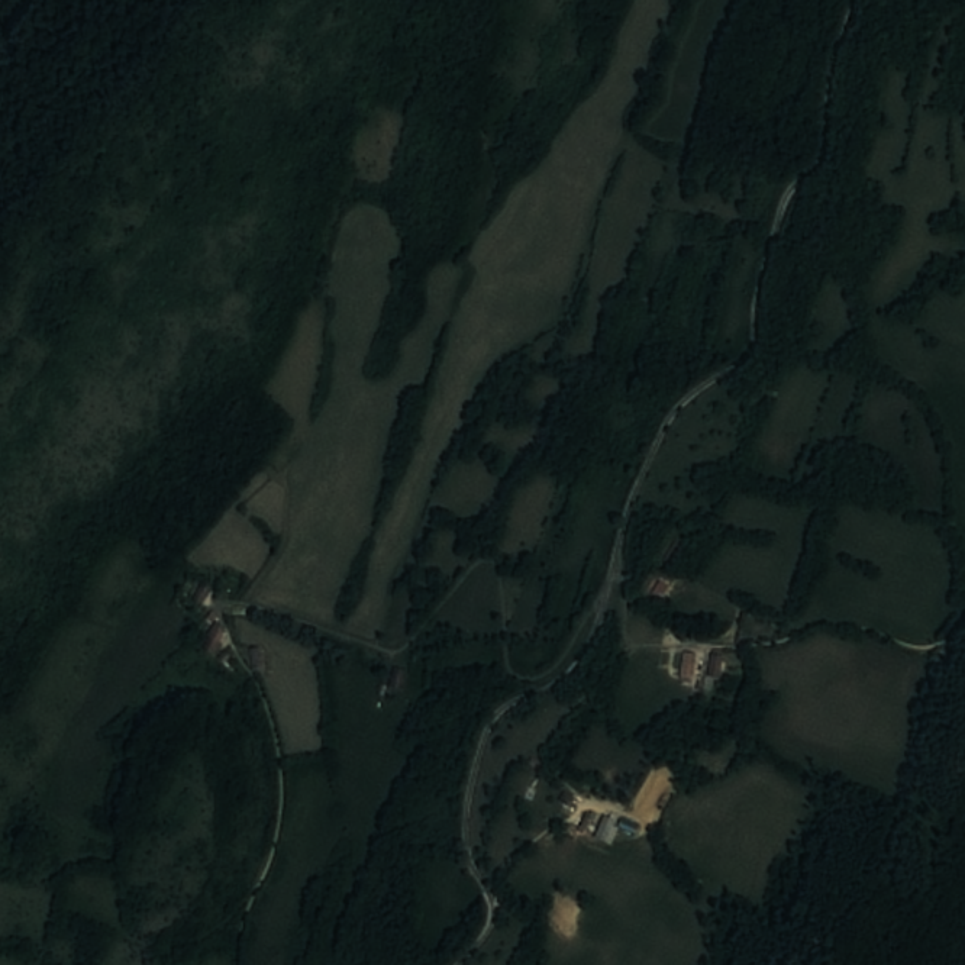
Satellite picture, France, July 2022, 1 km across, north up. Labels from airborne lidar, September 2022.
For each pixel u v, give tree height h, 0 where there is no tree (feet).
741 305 0
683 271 21
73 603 70
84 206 20
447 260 38
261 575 0
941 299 0
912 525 30
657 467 0
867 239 30
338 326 0
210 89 34
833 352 47
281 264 47
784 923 68
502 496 62
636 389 47
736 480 32
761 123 43
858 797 61
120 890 22
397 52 61
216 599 24
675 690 0
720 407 36
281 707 0
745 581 0
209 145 40
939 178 0
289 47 25
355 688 0
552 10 0
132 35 76
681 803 0
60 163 73
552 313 0
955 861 82
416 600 58
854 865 60
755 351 58
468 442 48
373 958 39
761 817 0
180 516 66
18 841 65
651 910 0
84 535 62
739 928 51
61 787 0
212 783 29
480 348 0
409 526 0
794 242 55
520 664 0
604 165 0
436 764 39
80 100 73
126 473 21
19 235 54
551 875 0
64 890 47
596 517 0
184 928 26
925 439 0
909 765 36
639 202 0
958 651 110
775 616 33
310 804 0
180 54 47
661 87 41
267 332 53
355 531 0
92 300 27
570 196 0
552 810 0
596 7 19
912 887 109
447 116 51
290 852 0
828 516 46
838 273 47
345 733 0
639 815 0
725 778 23
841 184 60
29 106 86
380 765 0
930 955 45
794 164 73
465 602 0
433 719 35
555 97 24
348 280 0
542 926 48
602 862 0
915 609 0
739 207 39
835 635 39
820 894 76
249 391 48
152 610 0
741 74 61
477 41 69
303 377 0
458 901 0
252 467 62
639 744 25
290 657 0
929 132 0
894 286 0
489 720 50
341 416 0
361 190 24
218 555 0
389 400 0
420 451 0
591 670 42
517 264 0
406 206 47
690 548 30
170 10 83
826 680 0
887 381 48
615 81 0
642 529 31
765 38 63
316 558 0
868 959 63
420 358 0
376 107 20
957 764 80
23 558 29
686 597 0
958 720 113
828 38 38
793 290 40
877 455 64
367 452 0
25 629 61
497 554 50
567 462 57
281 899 0
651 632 0
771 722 0
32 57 94
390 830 40
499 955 24
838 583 0
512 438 0
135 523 69
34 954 22
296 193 21
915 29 49
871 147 44
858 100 46
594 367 75
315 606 0
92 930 42
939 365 0
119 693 0
